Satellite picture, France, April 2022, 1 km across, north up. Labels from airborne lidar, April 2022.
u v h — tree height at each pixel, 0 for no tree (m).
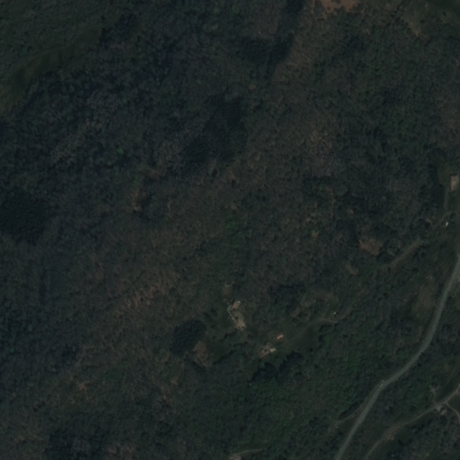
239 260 18
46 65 0
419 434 14
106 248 28
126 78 29
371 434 10
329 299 0
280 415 25
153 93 30
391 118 23
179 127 21
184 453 28
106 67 22
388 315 29
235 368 21
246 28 25
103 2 15
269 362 0
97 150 22
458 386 0
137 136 23
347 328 20
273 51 15
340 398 17
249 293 18
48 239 30
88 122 25
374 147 16
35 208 25
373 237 20
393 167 25
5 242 26
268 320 18
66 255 16
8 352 26
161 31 28
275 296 28
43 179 12
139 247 15
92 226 26
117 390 19
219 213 16
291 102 22
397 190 24
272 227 16
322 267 19
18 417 19
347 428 6
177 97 7
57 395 11
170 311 21
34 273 31
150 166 18
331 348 18
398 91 22
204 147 19
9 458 15
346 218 23
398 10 8
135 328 10
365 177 20
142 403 13
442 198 18
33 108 27
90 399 6
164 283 14
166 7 18
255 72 7
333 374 29
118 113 22
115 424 23
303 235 16
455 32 7
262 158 13
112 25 6
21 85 0
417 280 7
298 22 17
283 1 25
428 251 31
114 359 18
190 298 17
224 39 26
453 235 0
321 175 24
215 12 29
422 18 0
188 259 15
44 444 11
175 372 8
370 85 22
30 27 9
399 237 13
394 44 23
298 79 11
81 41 0
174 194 14
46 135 21
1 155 26
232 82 23
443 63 24
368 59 20
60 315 9
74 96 12
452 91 24
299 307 10
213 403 26
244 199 8
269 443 9
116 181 27
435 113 25
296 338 0
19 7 9
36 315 23
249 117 22
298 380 26
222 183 13
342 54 19
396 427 0
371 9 9
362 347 26
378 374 21
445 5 0
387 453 0
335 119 25
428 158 12
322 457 7
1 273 23
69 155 17
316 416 16
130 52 8
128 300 8
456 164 21
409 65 21
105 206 26
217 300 9
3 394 15
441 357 17
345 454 9
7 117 7
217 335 0
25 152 19
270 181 21
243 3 32
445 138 25
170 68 23
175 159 18
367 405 0
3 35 7
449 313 8
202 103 19
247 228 7
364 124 6
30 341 25
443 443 10
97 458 36
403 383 9
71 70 7
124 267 18
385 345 16
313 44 22
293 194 14
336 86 26
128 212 19
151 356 20
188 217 17
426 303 0
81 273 17
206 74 28
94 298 19
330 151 26
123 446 25
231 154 14
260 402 22
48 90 19
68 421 8
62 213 28
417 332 19
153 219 18
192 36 30
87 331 17
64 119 16
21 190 20
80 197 29
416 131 25
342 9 8
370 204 22
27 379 7
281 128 18
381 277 25
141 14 23
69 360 27
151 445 6
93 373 19
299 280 22
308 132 21
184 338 26
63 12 17
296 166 14
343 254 29
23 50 23
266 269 12
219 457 22
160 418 23
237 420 19
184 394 18
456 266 0
